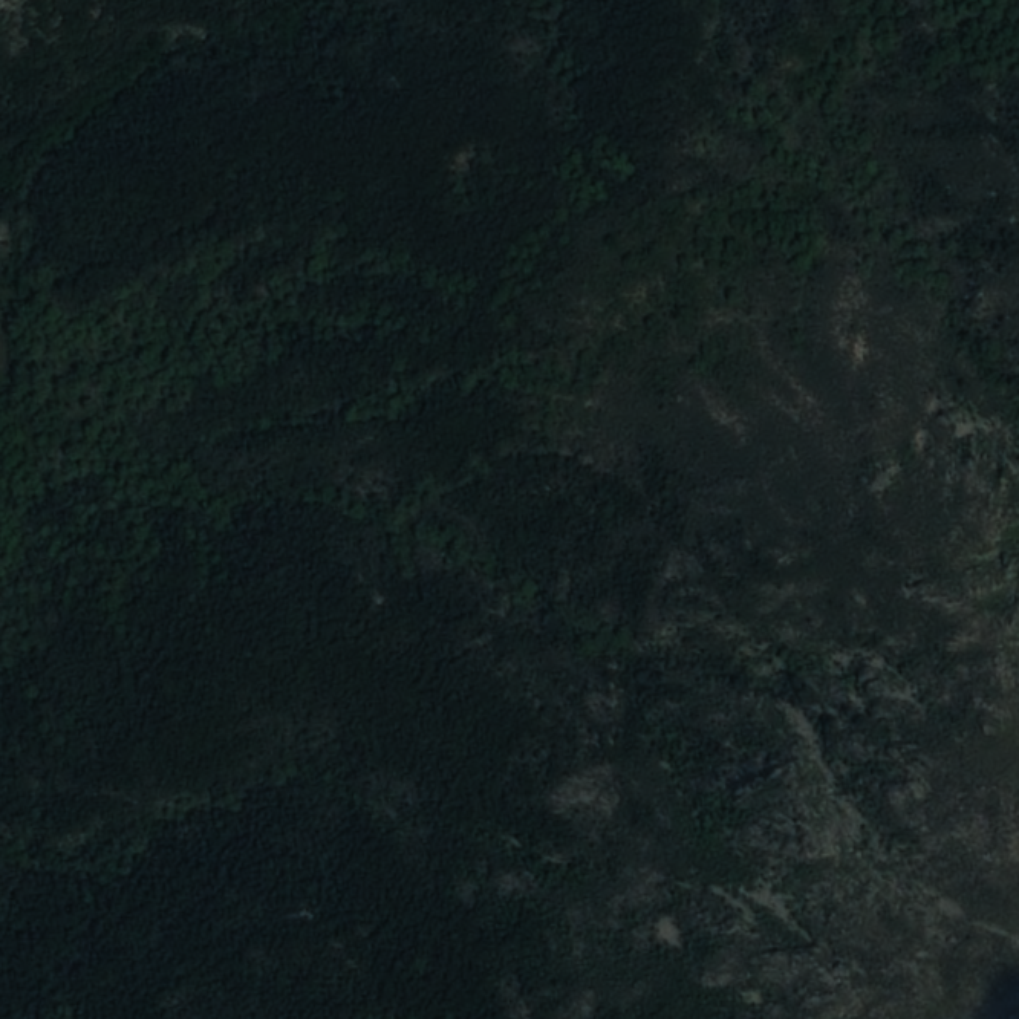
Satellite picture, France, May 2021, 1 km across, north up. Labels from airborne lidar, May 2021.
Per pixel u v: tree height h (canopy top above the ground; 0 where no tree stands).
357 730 10
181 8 12
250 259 14
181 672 15
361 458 11
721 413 0
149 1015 14
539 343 6
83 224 11
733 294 18
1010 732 0
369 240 12
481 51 9
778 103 20
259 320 13
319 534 11
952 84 9
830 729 9
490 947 12
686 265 12
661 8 11
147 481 23
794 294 11
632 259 13
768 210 15
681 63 8
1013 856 0
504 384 10
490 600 9
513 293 10
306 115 15
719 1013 6
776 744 6
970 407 6
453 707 8
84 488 13
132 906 11
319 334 11
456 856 10
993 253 9
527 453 8
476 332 7
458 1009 13
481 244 9
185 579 8
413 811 6
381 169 12
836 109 14
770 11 6
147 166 21
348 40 13
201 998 8
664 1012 7
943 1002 0
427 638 11
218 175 12
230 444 7
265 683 7
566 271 9
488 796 10
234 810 15
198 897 8
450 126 14
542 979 7
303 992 11
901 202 10
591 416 7
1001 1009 0
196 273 12
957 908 0
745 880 6
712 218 13
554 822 7
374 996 12
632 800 6
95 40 12
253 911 6
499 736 11
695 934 7
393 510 14
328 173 17
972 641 0
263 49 16
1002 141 7
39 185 15
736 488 0
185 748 13
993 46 15
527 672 7
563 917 7
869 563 0
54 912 12
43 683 10
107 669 7
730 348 6
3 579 11
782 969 0
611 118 10
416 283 11
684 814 6
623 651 9
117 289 10
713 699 5
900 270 14
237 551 12
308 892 13
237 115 12
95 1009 10
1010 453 8
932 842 0
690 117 6
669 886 7
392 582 8
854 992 0
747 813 6
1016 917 0
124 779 7
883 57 8
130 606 11
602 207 8
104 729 12
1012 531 6
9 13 7
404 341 13
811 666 7
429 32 10
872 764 9
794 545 0
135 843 17
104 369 17
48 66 13
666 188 10
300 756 8
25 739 16
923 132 8
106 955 13
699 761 10
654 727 10
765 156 10
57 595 9
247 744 11
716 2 12
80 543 14
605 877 6
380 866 12
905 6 7
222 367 11
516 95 11
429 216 13
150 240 16
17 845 11
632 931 7
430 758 13
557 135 12
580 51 14
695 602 8
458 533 16
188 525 14
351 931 14
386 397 11
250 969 7
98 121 7
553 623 16
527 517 10
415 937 14
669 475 10
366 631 8
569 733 7
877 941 0
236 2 18
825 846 0
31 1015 12
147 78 9
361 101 17
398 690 16
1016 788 0
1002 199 6
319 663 8
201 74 8
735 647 6
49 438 12
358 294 10
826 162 15
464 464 17
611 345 7
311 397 14
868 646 7
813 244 16
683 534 7
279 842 10
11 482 17
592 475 7
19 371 18
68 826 12
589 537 6
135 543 15
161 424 10
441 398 8
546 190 8
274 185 15
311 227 8
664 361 5
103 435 17
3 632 9
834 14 9
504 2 14
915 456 7
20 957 25
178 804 18
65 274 7
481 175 12
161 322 17
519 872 6
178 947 10
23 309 12
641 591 11
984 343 19
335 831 7
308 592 8
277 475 9
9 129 16
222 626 9
